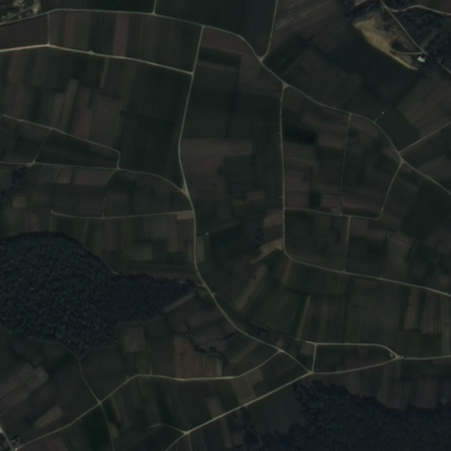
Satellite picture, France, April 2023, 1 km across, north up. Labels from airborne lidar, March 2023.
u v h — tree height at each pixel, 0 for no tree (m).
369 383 0
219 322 0
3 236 0
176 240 0
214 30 0
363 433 28
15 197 0
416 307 0
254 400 0
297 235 0
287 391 0
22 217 0
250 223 0
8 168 0
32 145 0
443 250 0
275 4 0
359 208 0
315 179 0
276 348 0
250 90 0
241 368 0
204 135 0
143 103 0
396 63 0
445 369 0
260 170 0
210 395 0
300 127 0
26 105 0
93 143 0
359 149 0
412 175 0
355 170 0
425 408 0
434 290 0
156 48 0
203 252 0
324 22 0
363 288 0
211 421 0
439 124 0
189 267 0
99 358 0
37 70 0
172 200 0
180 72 0
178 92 0
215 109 0
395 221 0
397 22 0
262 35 0
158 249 0
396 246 0
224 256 0
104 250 0
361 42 0
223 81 0
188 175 0
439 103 0
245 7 0
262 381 0
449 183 0
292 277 0
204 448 0
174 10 0
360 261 0
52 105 0
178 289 14
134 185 0
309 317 0
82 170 0
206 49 0
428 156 0
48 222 0
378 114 0
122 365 0
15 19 0
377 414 24
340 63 0
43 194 0
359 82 0
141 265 0
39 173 0
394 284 0
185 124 0
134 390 0
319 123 0
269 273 0
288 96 0
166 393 0
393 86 0
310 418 18
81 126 0
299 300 0
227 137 0
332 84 0
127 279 13
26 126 0
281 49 0
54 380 0
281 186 0
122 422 0
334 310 0
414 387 0
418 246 0
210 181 0
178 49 0
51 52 0
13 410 0
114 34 0
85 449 0
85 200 0
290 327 0
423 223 0
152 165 0
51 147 0
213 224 0
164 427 0
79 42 0
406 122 0
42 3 0
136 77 0
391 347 0
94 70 0
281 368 0
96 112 0
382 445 28
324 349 0
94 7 0
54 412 0
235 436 0
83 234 0
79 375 0
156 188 0
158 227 0
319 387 12
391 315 0
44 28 0
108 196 0
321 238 0
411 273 0
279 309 0
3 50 0
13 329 14
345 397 22
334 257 0
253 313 0
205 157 0
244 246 0
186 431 0
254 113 0
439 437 28
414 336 0
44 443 0
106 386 0
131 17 0
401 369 0
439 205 0
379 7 16
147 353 0
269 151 0
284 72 0
